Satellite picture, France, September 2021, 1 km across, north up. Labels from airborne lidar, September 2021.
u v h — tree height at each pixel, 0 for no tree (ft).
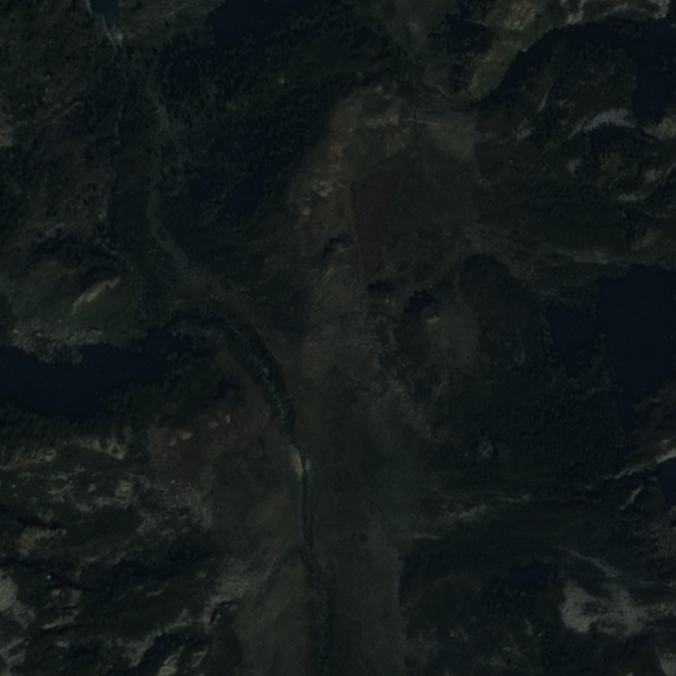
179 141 0
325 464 0
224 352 0
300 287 0
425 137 0
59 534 31
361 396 0
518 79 18
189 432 0
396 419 0
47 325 0
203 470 0
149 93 0
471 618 0
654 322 0
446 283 0
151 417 0
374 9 0
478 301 0
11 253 0
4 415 20
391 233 0
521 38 0
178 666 0
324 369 0
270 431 0
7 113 22
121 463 0
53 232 0
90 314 0
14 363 0
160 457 0
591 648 0
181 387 21
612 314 0
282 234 0
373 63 0
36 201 0
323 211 0
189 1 0
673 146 0
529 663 0
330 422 0
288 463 0
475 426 0
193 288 0
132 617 0
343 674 0
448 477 0
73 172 0
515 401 0
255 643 0
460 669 0
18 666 0
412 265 0
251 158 24
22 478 0
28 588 0
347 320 0
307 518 0
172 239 0
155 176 0
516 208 0
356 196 0
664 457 0
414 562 0
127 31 0
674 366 0
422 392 0
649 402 0
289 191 0
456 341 0
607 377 0
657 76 19
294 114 25
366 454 0
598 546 0
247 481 0
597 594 0
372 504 0
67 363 0
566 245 0
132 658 0
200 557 0
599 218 0
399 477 0
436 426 0
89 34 30
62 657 18
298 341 0
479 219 0
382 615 0
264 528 0
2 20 0
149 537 0
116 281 0
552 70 0
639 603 0
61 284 0
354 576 0
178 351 27
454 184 0
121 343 0
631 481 19
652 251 0
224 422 0
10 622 0
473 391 0
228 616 0
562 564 0
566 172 0
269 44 32
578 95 0
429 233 0
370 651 0
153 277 0
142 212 0
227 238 0
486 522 0
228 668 0
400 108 0
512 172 0
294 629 0
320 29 22
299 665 0
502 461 0
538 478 0
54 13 0
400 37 0
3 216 32
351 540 0
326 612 0
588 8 0
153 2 0
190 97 35
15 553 22
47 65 0
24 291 0
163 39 0
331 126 0
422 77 0
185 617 0
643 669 0
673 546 0
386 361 0
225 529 0
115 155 23
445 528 0
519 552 0
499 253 0
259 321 0
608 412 0
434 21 0
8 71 0
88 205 37
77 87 0
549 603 0
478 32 22
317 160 0
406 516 0
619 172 22
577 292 0
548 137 23
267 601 0
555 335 0
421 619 0
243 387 0
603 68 0
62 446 0
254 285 0
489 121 0
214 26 0
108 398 23
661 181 0
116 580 18
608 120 0
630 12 0
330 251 0
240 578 0
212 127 0
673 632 0
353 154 0
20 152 30
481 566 0
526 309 0
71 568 21
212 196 27
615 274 0
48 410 0
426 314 0
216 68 42
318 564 0
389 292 0
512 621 0
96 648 20
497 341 0
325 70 0
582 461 20
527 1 0
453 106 0
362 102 0
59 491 0
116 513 0
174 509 0
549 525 0
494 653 0
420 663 0
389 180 0
